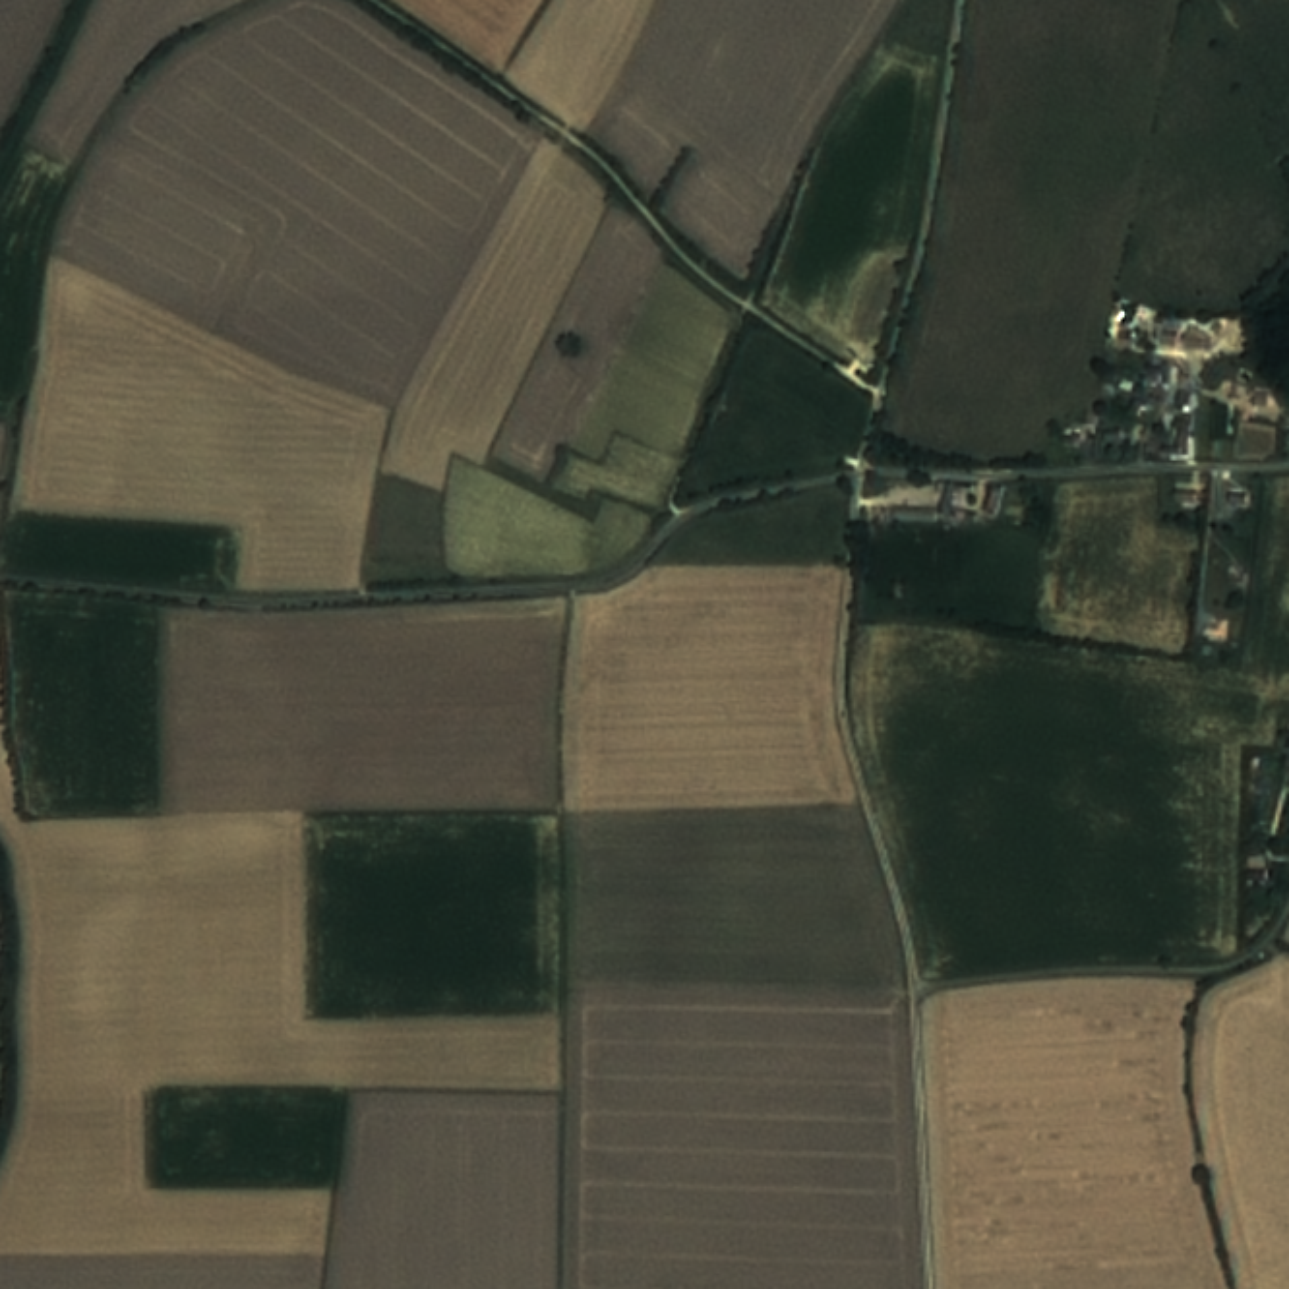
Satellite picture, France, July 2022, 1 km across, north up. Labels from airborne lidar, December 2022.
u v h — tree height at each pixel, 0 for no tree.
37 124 0
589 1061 0
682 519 0
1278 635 0
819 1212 0
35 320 0
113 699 0
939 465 9
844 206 0
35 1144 0
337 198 0
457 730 0
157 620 0
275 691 0
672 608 0
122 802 0
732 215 0
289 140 0
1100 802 0
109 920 0
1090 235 0
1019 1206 0
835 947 0
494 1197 0
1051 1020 0
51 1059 0
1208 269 0
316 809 0
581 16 0
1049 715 0
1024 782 0
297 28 0
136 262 0
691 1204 0
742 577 0
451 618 0
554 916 0
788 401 0
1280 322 18
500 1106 0
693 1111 0
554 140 0
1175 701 0
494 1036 0
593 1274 0
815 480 0
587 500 0
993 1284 0
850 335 0
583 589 0
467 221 0
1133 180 0
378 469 0
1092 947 0
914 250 7
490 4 0
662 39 0
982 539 0
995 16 0
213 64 0
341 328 0
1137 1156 0
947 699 0
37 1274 0
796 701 0
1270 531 0
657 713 0
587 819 0
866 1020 0
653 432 0
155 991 0
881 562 0
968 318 0
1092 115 0
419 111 0
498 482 0
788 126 0
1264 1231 0
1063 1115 0
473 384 0
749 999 0
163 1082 0
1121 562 0
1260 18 0
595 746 0
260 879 0
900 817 0
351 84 0
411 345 0
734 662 0
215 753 0
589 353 0
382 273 0
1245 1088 0
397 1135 0
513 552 0
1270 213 0
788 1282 0
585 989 0
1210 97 0
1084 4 0
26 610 0
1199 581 10
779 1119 0
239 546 0
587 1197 0
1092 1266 0
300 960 0
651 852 0
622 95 0
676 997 0
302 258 0
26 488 0
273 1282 0
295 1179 0
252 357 0
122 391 0
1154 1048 0
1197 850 0
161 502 0
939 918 0
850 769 0
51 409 0
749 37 0
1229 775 0
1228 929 0
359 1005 0
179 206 0
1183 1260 0
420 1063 0
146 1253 0
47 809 0
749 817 0
